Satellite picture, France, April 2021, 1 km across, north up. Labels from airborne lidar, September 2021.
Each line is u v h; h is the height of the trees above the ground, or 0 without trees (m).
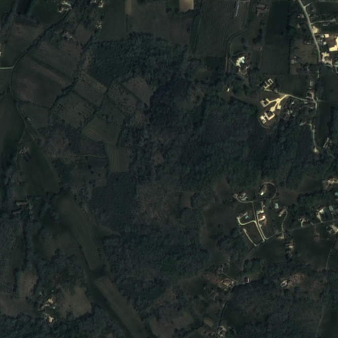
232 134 19
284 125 21
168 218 10
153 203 12
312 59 0
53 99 0
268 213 0
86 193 8
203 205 18
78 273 24
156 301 7
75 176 0
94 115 8
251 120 10
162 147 12
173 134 20
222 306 16
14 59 0
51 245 0
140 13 0
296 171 24
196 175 18
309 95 8
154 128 9
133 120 11
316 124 16
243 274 14
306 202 20
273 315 21
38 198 9
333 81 0
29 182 0
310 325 22
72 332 9
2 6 0
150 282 10
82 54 7
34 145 0
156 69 11
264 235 0
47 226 0
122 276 18
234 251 17
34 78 0
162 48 14
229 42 0
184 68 18
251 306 17
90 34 0
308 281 0
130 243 23
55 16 0
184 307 17
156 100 17
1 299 0
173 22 0
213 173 22
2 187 0
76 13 11
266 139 8
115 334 16
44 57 0
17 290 20
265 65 0
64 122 13
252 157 6
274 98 0
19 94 0
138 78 9
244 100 0
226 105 25
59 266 25
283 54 0
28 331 14
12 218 15
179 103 22
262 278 7
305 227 0
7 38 12
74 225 0
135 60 6
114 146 0
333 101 0
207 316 11
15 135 0
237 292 15
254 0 0
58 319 8
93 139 0
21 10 0
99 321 25
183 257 19
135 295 5
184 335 12
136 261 23
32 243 14
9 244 20
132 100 0
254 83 18
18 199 0
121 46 9
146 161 13
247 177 18
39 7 0
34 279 0
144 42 19
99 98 0
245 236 0
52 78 0
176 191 14
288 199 0
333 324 0
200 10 12
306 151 21
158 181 16
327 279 23
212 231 0
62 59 0
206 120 23
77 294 0
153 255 28
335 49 0
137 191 14
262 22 5
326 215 13
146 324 5
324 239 0
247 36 0
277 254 0
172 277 20
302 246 0
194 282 0
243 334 25
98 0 0
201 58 0
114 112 0
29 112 0
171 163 20
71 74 0
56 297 19
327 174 10
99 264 0
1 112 0
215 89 19
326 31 0
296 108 10
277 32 0
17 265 0
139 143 14
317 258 0
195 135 25
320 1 0
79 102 0
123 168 0
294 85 0
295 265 14
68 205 0
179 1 0
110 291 0
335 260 0
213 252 0
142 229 19
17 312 0
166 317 18
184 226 21
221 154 25
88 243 0
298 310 20
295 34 20
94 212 6
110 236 0
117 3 0
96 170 0
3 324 17
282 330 21
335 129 21
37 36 0
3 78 0
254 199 7
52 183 0
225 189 0
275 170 14
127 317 0
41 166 0
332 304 17
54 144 0
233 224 0
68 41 17
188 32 8
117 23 0
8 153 0
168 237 22
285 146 8
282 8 0
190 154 14
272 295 25
